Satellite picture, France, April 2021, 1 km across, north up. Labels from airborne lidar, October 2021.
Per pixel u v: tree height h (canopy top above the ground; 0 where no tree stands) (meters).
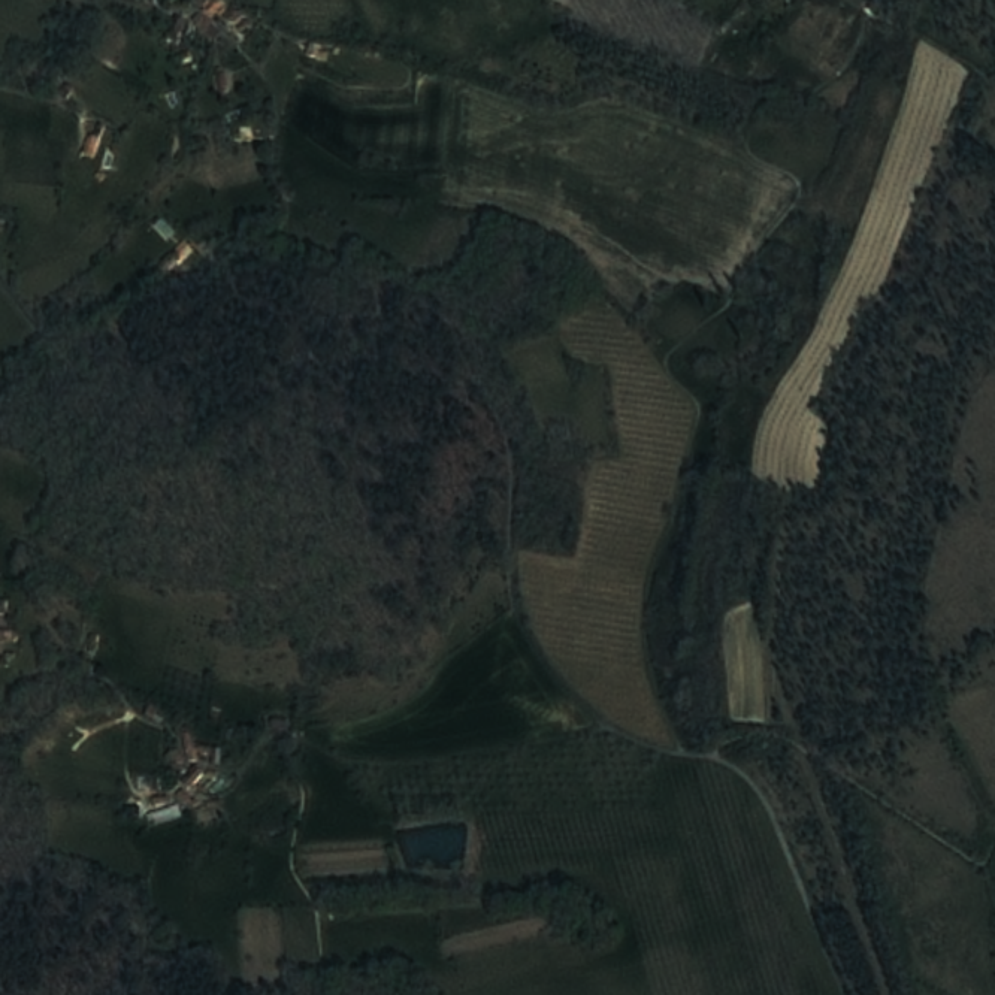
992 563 0
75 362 19
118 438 22
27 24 0
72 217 0
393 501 25
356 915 20
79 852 0
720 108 17
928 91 0
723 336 0
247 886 7
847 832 8
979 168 17
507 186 0
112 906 16
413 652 13
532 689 0
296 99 0
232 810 0
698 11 10
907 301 19
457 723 0
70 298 7
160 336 23
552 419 0
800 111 12
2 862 17
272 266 19
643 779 9
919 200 10
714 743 21
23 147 0
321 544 19
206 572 19
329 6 0
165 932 18
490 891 0
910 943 0
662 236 0
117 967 13
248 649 20
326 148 0
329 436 19
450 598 10
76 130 0
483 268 18
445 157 0
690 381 0
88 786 0
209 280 19
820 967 0
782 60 11
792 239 0
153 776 6
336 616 24
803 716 10
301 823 7
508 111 0
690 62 18
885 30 32
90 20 14
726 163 0
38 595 24
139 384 18
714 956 16
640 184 0
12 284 12
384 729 0
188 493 20
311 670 24
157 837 0
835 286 8
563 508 14
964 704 0
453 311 19
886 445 15
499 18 0
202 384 18
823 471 11
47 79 13
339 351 27
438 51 0
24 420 23
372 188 0
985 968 0
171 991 23
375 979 24
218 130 14
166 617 0
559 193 0
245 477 21
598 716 0
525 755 10
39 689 22
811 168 0
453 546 14
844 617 13
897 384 0
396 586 17
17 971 26
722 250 0
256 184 0
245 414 23
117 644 0
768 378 8
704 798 20
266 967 0
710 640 12
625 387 6
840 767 11
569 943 20
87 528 21
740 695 0
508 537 14
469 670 0
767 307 10
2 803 19
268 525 23
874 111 0
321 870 0
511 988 0
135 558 25
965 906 0
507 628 0
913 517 10
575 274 24
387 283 17
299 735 0
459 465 10
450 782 13
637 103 15
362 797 12
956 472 0
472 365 23
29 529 15
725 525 11
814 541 16
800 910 0
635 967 0
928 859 0
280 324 15
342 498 20
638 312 14
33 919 21
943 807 0
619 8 18
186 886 0
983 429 0
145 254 0
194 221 10
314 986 19
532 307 19
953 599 0
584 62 12
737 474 16
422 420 16
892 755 8
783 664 12
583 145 0
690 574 26
